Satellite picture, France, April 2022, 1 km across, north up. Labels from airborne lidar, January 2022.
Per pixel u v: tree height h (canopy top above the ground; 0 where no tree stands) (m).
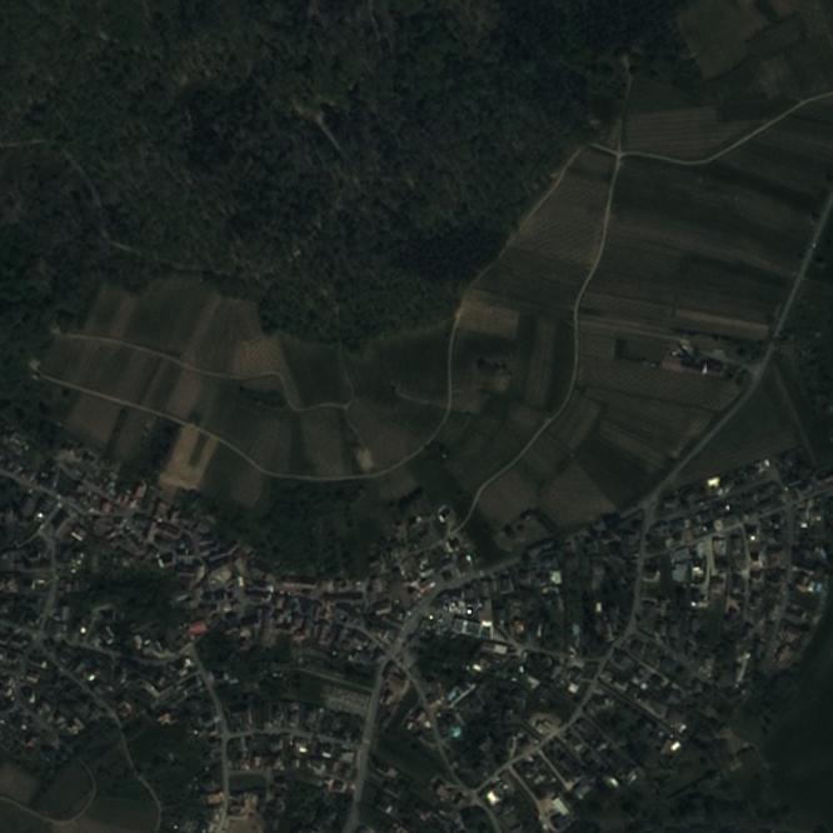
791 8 0
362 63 24
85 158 21
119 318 0
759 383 0
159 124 20
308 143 25
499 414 0
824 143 0
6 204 7
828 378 6
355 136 30
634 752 19
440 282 28
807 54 0
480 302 0
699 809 21
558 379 0
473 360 0
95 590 6
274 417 0
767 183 0
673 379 0
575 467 0
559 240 0
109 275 20
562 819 0
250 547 0
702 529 0
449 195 27
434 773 0
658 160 0
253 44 26
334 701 0
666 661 9
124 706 0
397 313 22
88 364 0
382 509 0
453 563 0
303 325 19
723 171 0
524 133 27
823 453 0
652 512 0
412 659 0
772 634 0
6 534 15
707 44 0
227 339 0
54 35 20
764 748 0
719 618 0
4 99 17
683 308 0
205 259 18
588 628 11
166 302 0
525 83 24
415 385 0
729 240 0
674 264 0
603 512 0
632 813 18
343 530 0
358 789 0
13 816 0
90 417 0
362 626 0
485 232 30
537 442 0
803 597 0
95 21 19
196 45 20
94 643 0
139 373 0
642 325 0
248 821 0
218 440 0
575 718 0
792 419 0
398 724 0
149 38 21
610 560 11
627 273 0
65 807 0
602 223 0
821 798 0
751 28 0
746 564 0
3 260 12
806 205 0
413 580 0
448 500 0
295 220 22
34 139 10
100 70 22
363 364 0
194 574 0
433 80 31
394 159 23
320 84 26
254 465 0
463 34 20
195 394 0
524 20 27
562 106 25
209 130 8
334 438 0
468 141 28
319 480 0
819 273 0
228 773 0
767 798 0
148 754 0
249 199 15
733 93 0
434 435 0
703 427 0
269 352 0
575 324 0
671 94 0
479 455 0
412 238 24
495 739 10
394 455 0
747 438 0
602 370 0
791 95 0
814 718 0
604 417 0
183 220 21
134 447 0
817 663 0
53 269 19
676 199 0
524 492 0
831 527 12
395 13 32
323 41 23
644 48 9
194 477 14
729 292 0
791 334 7
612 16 23
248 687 0
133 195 17
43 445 9
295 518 13
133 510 0
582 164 0
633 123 0
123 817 0
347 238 25
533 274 0
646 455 0
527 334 0
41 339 18
